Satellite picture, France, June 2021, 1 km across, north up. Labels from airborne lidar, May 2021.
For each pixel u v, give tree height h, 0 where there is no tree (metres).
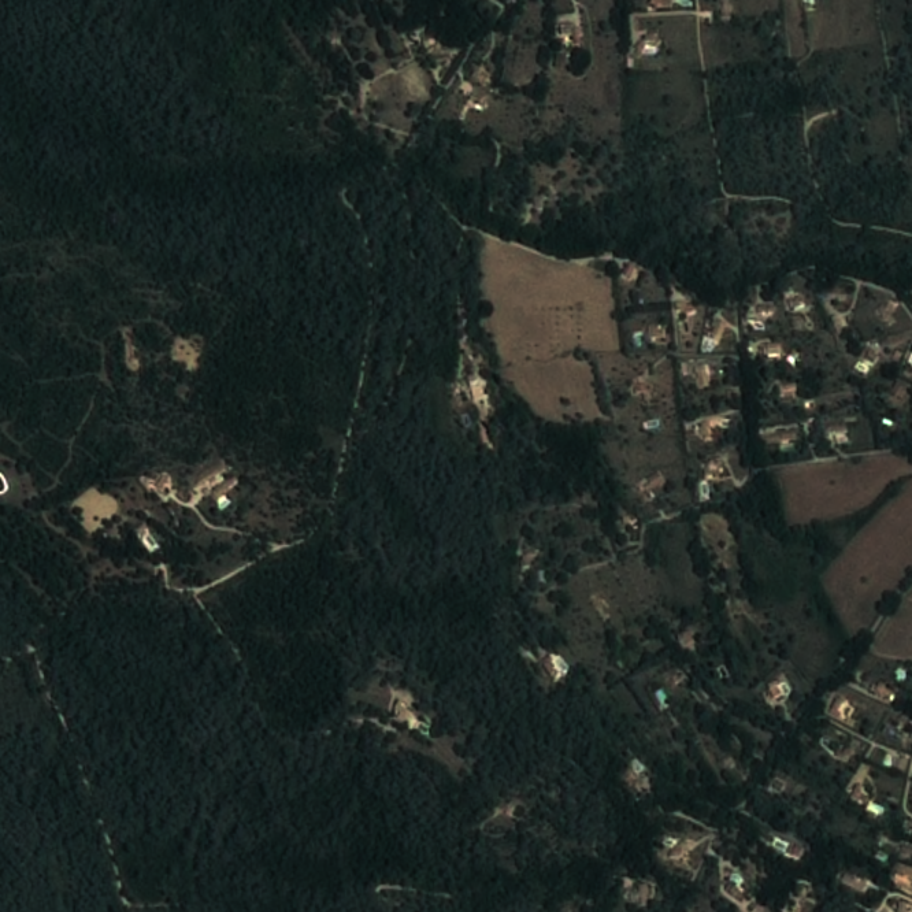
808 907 0
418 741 10
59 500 12
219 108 9
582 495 7
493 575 19
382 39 14
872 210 9
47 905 12
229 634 10
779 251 14
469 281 18
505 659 22
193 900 18
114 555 11
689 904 19
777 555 8
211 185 12
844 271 16
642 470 0
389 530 17
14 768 19
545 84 14
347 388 6
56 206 14
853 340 10
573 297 0
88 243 11
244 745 15
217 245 23
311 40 13
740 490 15
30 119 9
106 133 10
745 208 12
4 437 7
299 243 19
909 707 13
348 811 19
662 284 15
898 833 8
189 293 11
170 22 22
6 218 10
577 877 17
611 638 13
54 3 17
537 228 18
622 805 11
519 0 10
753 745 12
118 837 19
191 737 17
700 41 0
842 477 0
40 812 17
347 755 18
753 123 8
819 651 0
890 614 12
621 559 8
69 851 16
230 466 11
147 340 10
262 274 20
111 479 10
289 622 11
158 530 12
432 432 14
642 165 14
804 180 12
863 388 8
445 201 12
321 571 11
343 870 19
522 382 0
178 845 7
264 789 23
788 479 0
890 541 0
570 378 0
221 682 19
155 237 20
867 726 14
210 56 11
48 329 6
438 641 19
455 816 20
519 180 17
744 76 8
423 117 9
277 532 9
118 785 11
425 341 27
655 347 9
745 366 15
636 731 13
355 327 21
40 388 10
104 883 14
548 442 15
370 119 8
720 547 7
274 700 9
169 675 17
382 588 20
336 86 10
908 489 0
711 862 13
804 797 13
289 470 7
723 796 14
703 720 20
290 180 13
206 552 10
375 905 22
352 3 16
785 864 15
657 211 17
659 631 12
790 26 0
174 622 20
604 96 0
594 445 13
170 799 21
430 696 17
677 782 12
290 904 17
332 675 6
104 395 15
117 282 6
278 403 11
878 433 10
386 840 11
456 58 6
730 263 17
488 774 21
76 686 18
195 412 14
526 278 0
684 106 0
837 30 0
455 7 18
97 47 15
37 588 13
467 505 19
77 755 17
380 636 21
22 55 17
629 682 10
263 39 13
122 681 17
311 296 20
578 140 14
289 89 7
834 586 0
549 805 11
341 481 9
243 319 8
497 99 6
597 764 7
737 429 12
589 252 15
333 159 12
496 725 17
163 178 8
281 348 12
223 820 22
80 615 14
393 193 9
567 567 11
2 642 20
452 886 16
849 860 17
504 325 0
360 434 20
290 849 17
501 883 14
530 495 20
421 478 19
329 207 21
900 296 11
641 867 14
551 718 21
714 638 9
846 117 13
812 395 10
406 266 23
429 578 22
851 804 5
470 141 13
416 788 24
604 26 16
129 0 17
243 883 19
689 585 0
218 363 14
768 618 11
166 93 24
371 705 9
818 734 11
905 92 14
